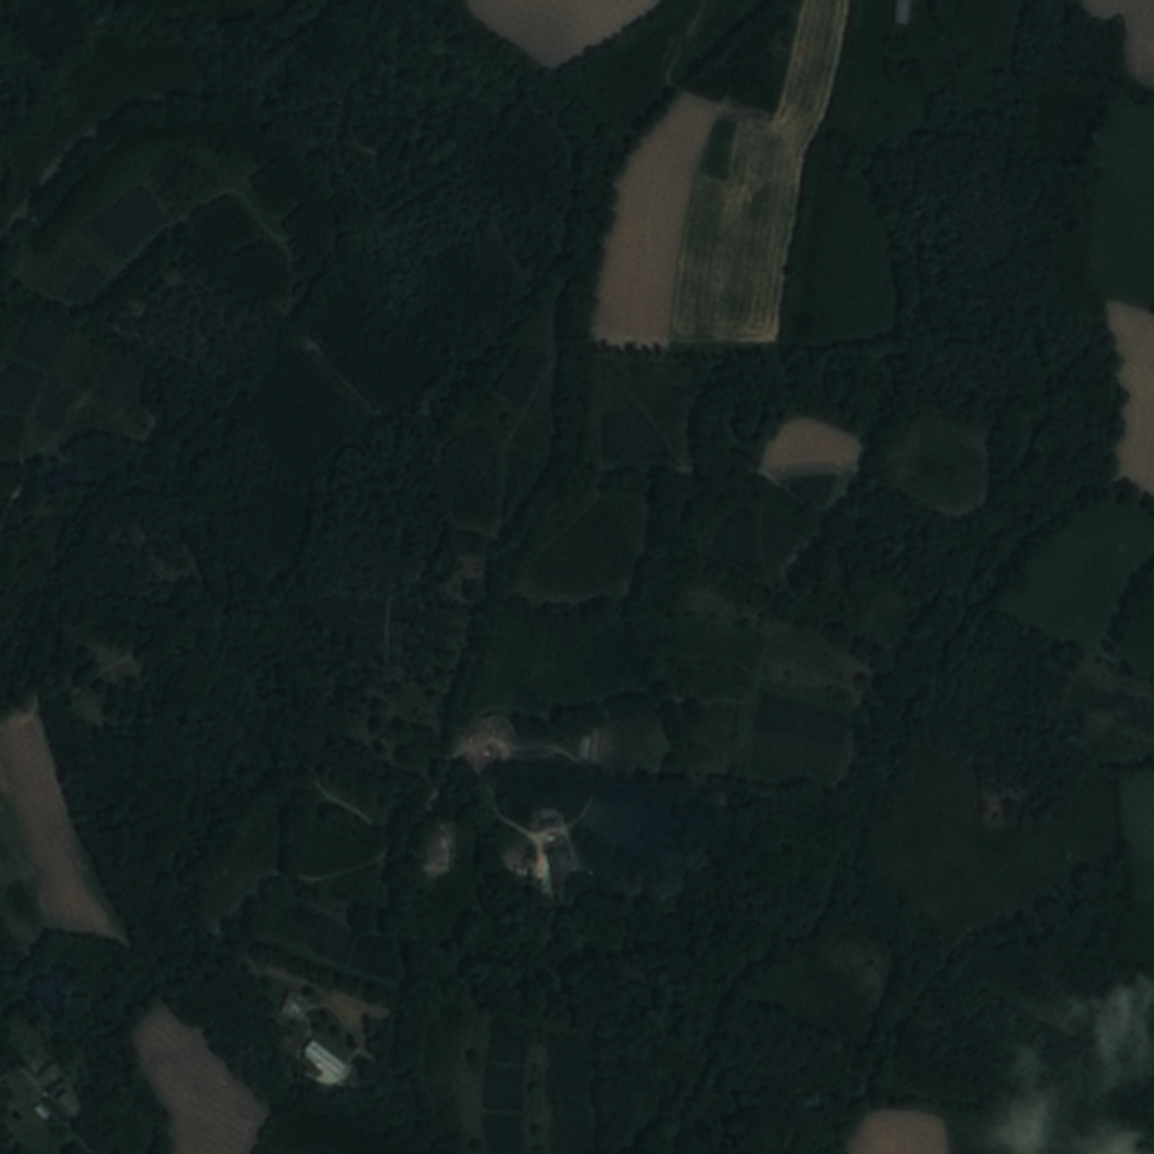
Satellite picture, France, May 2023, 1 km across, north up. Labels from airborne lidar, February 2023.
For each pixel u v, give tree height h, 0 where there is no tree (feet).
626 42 26
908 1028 31
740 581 34
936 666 36
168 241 39
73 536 36
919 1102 25
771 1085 74
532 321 51
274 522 37
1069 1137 0
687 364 39
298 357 37
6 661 19
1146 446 0
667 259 0
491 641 35
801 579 71
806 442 0
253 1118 0
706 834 68
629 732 0
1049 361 42
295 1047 0
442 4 60
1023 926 68
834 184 0
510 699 0
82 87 0
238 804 71
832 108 19
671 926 24
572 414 60
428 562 54
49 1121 36
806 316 0
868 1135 0
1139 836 0
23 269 0
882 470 49
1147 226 0
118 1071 24
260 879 0
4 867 0
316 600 48
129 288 47
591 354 41
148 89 0
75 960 35
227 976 66
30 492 39
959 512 0
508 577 55
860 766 35
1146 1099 56
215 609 47
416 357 37
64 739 49
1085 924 69
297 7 37
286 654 60
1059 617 0
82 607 65
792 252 24
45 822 0
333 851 0
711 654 0
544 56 0
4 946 21
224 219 24
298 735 74
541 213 34
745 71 28
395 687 36
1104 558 0
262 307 51
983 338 59
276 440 36
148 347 45
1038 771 53
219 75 54
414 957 69
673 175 0
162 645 62
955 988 57
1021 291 34
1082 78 48
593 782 70
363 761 52
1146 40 0
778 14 52
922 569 64
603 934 85
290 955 20
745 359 56
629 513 0
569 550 0
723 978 44
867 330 0
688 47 0
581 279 63
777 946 64
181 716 69
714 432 69
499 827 48
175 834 56
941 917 0
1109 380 44
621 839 0
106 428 0
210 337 38
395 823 60
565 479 43
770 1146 72
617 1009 69
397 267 33
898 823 0
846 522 59
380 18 66
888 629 0
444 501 63
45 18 33
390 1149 0
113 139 43
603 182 46
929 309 60
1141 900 0
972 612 57
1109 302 24
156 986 54
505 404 0
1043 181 51
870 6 0
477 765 0
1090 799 0
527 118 39
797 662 0
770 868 65
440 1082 0
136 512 58
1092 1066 57
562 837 0
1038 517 34
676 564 68
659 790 73
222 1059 49
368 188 37
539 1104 0
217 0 0
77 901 0
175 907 75
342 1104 61
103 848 55
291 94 64
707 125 0
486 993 56
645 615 62
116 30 24
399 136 42
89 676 39
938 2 43
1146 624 0
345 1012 0
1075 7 37
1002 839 0
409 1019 53
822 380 23
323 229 19
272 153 31
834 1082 69
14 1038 0
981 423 29
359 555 77
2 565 32
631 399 0
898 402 69
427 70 57
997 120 46
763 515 0
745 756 0
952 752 40
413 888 55
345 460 71
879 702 35
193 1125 0
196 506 56
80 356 0
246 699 52
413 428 49
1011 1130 0
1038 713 78
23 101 24
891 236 41
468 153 46
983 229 76
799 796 66
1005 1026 46
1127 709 0
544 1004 56
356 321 29
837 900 44
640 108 0
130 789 71
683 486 72
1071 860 0
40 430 0
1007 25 0
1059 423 45
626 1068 65
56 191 40
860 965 0
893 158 76
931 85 0
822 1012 0
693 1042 18
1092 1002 28
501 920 69
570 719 55
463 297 38
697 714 52
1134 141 0
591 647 0
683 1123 20
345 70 66
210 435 38
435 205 58
